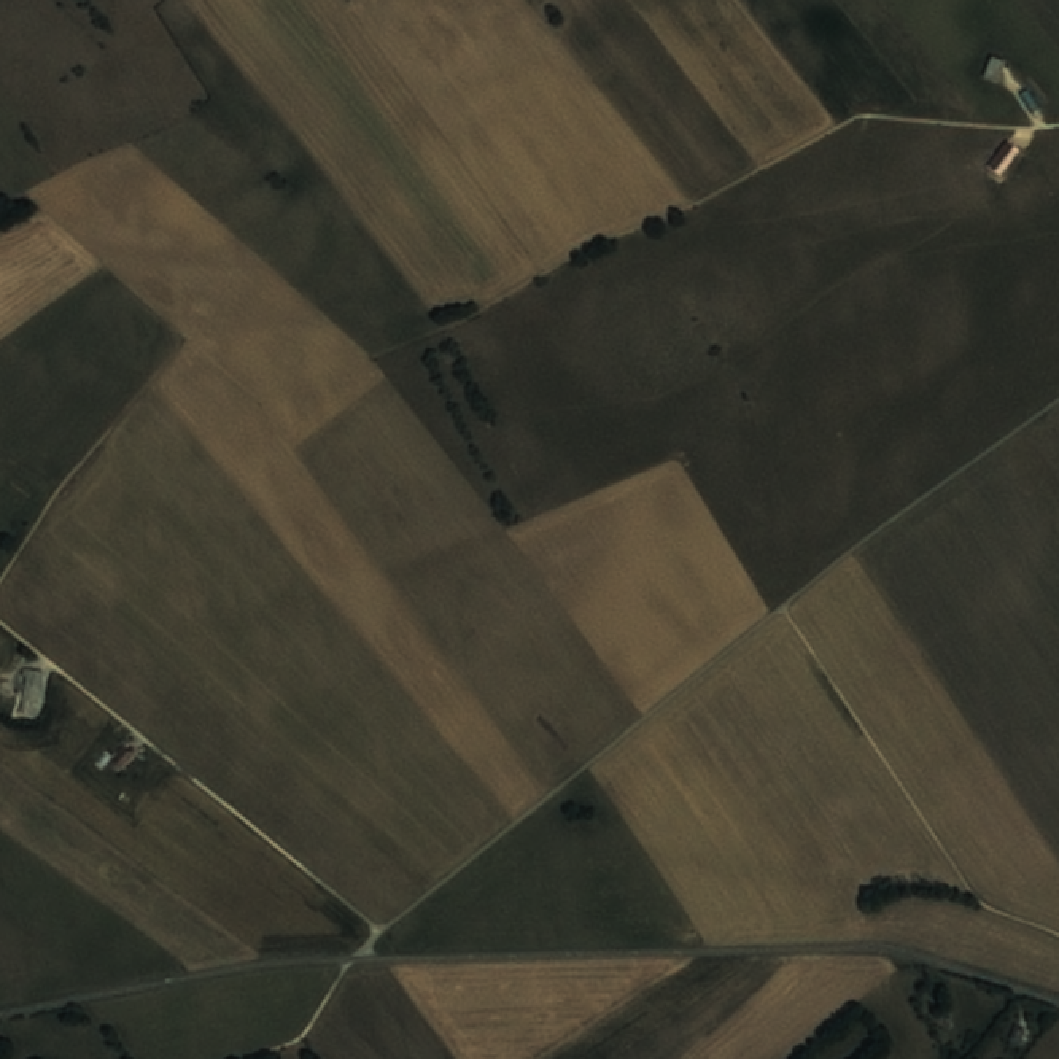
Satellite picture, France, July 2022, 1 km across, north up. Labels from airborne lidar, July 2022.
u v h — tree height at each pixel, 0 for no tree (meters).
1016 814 0
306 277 0
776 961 0
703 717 0
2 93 0
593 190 0
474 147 0
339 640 0
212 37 0
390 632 0
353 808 0
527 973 0
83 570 0
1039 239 0
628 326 0
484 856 0
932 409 0
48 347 0
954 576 0
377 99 0
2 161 0
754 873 0
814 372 0
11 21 0
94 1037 0
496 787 0
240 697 0
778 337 0
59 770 0
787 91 0
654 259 0
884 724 0
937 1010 15
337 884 0
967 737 0
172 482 0
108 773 0
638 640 0
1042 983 0
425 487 0
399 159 0
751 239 0
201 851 0
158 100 0
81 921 0
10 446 0
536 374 0
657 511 0
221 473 0
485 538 0
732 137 0
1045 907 0
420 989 0
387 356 0
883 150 0
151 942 0
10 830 0
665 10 0
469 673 0
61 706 0
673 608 0
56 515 0
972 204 0
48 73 0
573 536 0
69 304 0
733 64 0
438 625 0
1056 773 0
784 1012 0
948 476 0
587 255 14
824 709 0
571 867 0
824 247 0
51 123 0
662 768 0
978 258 0
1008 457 0
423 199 0
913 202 0
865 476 0
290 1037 0
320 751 0
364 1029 0
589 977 0
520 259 0
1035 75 0
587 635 0
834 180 0
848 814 0
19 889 0
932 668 0
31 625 0
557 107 0
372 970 0
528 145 0
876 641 0
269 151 0
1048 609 0
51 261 0
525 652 0
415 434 0
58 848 0
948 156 0
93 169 0
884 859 0
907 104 0
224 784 0
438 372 7
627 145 0
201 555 0
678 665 0
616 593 0
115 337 0
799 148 0
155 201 0
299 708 0
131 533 0
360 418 0
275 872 0
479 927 0
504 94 0
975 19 0
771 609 0
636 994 0
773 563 0
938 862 0
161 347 0
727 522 0
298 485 0
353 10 0
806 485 0
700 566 0
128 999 0
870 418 0
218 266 0
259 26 0
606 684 0
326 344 0
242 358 0
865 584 0
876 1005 0
